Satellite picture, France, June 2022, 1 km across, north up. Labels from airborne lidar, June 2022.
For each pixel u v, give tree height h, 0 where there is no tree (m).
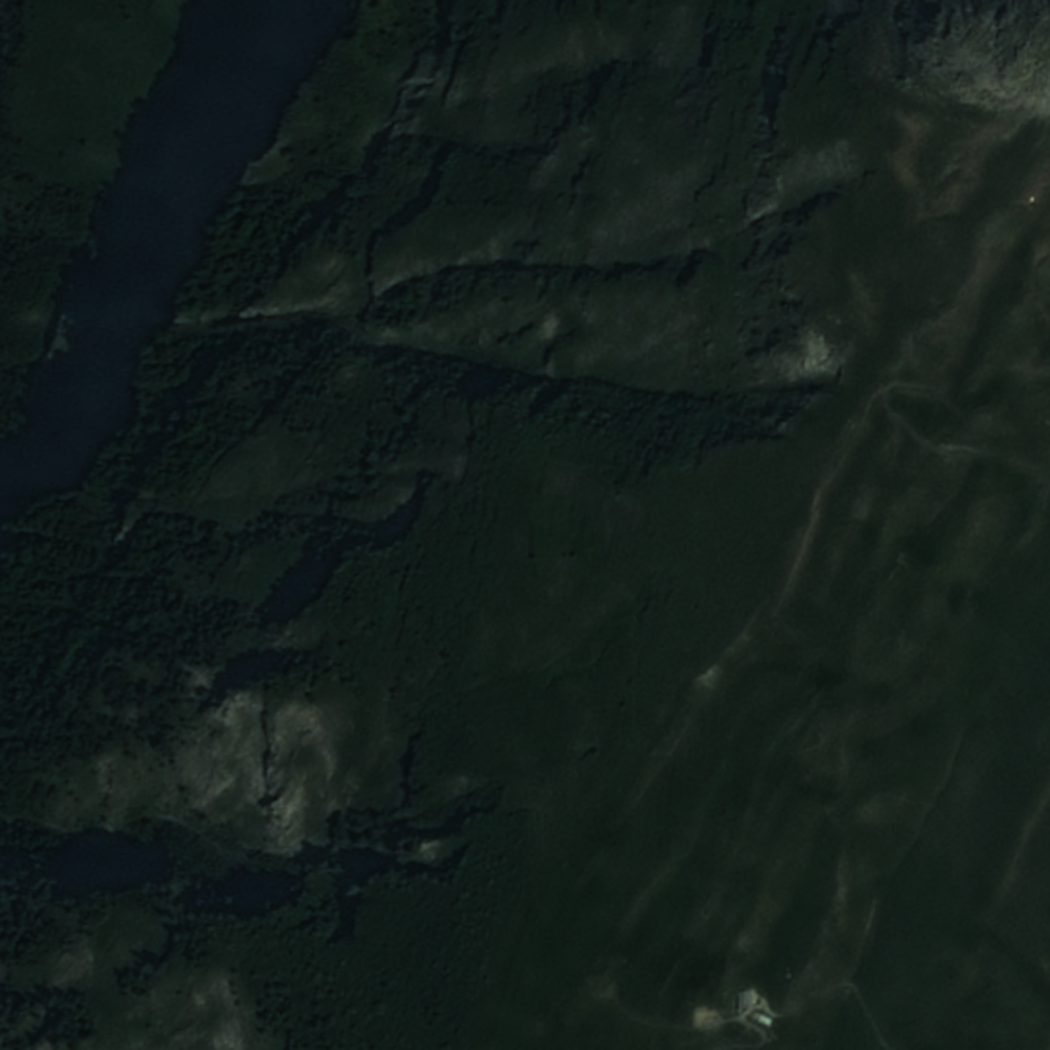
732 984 0
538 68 0
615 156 0
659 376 0
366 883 15
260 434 0
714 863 0
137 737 6
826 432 0
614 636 0
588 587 0
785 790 0
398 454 7
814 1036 0
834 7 0
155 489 9
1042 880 0
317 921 13
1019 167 0
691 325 0
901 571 0
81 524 14
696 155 0
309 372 7
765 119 0
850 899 0
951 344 0
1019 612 0
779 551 0
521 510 0
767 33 0
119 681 13
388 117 0
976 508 0
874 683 0
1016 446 0
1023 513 0
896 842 0
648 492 0
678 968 0
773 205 0
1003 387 0
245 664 0
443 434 0
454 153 7
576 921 0
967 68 0
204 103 0
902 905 0
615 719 0
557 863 0
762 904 0
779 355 0
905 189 0
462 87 0
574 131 0
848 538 0
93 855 11
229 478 0
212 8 0
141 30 0
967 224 0
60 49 0
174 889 19
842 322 0
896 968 0
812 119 0
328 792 0
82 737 13
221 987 0
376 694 0
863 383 0
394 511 0
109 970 0
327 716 0
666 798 0
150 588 15
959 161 0
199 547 12
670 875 0
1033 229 0
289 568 0
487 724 0
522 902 0
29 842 11
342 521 7
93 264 10
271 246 16
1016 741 0
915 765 0
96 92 0
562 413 6
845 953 0
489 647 0
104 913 8
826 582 0
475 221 0
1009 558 0
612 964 0
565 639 0
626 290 0
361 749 0
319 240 7
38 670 8
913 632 0
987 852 0
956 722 0
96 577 14
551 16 0
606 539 0
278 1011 8
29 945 16
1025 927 0
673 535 0
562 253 0
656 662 0
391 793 0
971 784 0
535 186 0
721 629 0
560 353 0
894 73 0
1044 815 0
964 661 0
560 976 0
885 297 0
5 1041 8
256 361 8
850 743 0
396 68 0
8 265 9
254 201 9
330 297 0
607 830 0
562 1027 0
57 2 0
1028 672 0
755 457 0
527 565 0
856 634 0
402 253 0
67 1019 22
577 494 0
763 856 0
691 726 0
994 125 0
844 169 0
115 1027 0
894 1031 0
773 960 0
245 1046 0
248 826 0
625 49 0
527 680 0
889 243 0
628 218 0
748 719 0
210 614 7
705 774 0
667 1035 0
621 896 0
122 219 0
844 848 0
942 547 0
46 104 0
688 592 0
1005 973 0
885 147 0
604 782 0
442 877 9
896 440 0
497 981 0
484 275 7
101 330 0
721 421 6
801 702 0
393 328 10
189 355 11
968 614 0
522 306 0
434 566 5
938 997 0
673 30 0
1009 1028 0
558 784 0
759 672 0
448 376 9
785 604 0
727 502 0
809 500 0
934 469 0
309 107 0
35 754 9
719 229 0
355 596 7
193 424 11
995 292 0
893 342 0
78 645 11
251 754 0
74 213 10
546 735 0
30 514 13
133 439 8
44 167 0
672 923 0
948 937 0
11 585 9
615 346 0
